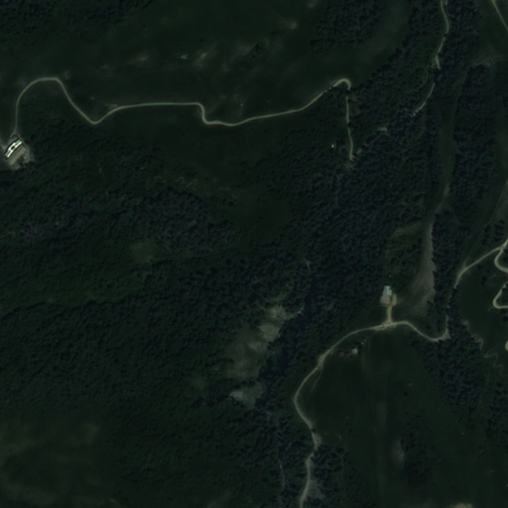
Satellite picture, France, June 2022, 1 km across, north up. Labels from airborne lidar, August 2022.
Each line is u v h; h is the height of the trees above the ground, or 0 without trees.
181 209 8
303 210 8
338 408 0
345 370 0
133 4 8
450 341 9
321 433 0
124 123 0
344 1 14
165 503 0
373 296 9
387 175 10
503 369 0
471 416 9
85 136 10
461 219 7
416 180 17
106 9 7
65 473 0
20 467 0
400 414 0
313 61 0
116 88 0
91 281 8
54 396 6
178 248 22
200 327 9
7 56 0
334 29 11
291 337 10
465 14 29
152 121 0
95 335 9
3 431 0
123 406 8
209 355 15
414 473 8
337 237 15
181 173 6
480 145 18
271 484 10
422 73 24
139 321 6
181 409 8
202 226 20
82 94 0
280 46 0
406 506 0
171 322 10
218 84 0
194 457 8
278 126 0
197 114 0
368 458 0
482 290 0
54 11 10
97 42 0
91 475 0
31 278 6
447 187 0
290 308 25
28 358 7
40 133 7
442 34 13
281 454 22
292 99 0
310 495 0
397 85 22
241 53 0
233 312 10
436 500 0
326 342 10
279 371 5
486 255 0
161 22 0
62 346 17
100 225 7
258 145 0
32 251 8
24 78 0
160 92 0
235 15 0
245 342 0
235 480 6
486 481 0
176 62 0
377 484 0
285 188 11
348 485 7
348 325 9
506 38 0
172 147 0
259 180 12
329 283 9
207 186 0
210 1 0
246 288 11
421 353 12
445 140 0
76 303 11
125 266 16
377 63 0
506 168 0
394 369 0
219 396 9
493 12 0
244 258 8
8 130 0
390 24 0
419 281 0
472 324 0
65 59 0
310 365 11
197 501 0
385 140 14
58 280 9
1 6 18
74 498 0
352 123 13
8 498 0
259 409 23
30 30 9
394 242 15
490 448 0
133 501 0
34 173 16
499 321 0
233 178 0
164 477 8
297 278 24
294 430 11
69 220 13
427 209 7
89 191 6
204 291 17
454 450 0
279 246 29
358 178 10
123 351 10
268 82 0
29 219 10
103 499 0
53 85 0
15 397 7
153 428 11
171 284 17
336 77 0
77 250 7
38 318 12
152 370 8
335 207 16
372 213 28
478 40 11
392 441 0
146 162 18
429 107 7
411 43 28
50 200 6
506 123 0
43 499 0
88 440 0
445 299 19
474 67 0
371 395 0
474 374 12
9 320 9
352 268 9
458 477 0
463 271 0
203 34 0
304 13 0
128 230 12
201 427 9
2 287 9
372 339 0
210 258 10
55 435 0
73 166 8
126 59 0
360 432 0
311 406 0
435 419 0
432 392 0
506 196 0
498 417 23
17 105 0
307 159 13
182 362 15
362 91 22
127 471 8
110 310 9
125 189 9
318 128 11
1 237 8
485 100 11
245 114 0
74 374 8
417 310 0
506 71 8
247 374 0
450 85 27
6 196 6
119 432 6
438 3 7
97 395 7
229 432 25
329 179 25
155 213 14
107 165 13
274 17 0
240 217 0
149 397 10
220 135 0
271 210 0
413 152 8
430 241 0
